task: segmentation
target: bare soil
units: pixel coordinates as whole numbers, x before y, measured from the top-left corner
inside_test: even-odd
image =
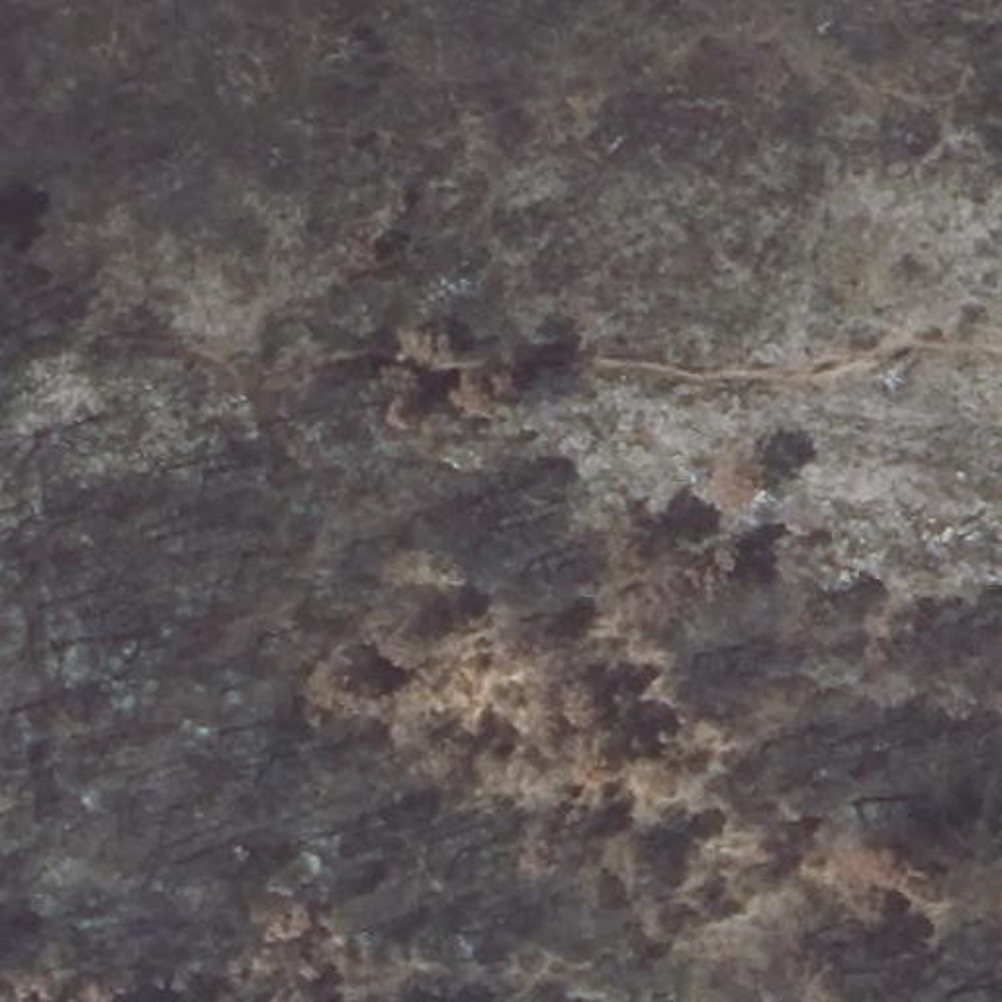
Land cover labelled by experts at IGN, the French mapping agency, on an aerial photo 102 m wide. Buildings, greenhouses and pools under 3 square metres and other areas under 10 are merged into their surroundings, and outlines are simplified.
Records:
[[[387,724],[352,716],[352,708],[372,708],[376,697],[411,685],[407,669],[391,665],[376,646],[364,642],[360,626],[372,611],[387,611],[395,618],[391,630],[403,642],[442,642],[450,634],[466,634],[470,622],[478,622],[489,607],[505,603],[513,607],[509,650],[521,661],[532,661],[536,654],[548,654],[556,638],[587,634],[595,618],[611,615],[622,599],[634,595],[642,595],[654,611],[638,622],[642,638],[650,646],[661,646],[673,661],[673,697],[665,708],[673,712],[677,728],[693,732],[697,724],[716,724],[744,748],[740,755],[724,755],[724,775],[701,791],[697,814],[665,806],[661,822],[634,822],[634,798],[626,787],[603,787],[603,806],[591,806],[583,787],[575,783],[544,806],[521,806],[513,795],[478,795],[478,755],[509,759],[517,744],[517,728],[489,712],[474,732],[458,720],[458,712],[431,712],[407,744],[395,744]],[[869,853],[892,853],[896,869],[908,865],[932,877],[939,877],[943,869],[963,869],[971,861],[1002,861],[1002,0],[0,0],[0,1002],[685,1002],[693,959],[673,951],[677,935],[685,928],[701,928],[744,912],[724,892],[724,881],[708,881],[693,908],[677,904],[677,885],[685,881],[689,853],[720,830],[759,830],[767,853],[767,881],[775,888],[798,865],[826,865],[838,838],[853,838]]]
[[[982,920],[932,924],[928,916],[912,912],[900,896],[892,908],[881,912],[865,939],[849,947],[849,959],[861,967],[861,975],[853,990],[834,994],[838,1002],[1002,1002],[1002,912]]]

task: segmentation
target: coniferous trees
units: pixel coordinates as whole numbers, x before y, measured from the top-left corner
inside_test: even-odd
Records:
[[[826,865],[798,865],[775,888],[767,881],[767,853],[759,830],[720,830],[689,853],[685,881],[677,885],[677,904],[693,908],[708,881],[724,881],[724,892],[744,912],[701,928],[685,928],[677,935],[673,951],[693,959],[685,1002],[838,1002],[834,994],[853,990],[861,975],[861,967],[849,959],[849,947],[865,939],[881,912],[892,908],[900,896],[912,912],[928,916],[932,924],[982,920],[1002,912],[1002,861],[971,861],[963,869],[943,869],[939,877],[932,877],[908,865],[896,869],[892,853],[869,853],[853,838],[838,838]]]
[[[744,748],[716,724],[697,724],[693,732],[677,728],[673,712],[665,708],[673,697],[673,661],[661,646],[650,646],[642,638],[638,622],[654,611],[642,595],[634,595],[622,599],[611,615],[595,618],[587,634],[556,638],[548,654],[536,654],[532,661],[521,661],[509,650],[513,607],[505,603],[489,607],[478,622],[470,622],[466,634],[450,634],[442,642],[403,642],[391,630],[395,618],[387,611],[372,611],[360,626],[364,642],[376,646],[391,665],[407,669],[411,685],[376,697],[372,708],[352,708],[352,716],[387,724],[395,744],[407,744],[431,712],[458,712],[458,720],[474,732],[489,712],[517,728],[517,744],[509,759],[478,755],[478,795],[513,795],[521,806],[544,806],[575,783],[583,787],[591,806],[603,806],[603,787],[626,787],[634,798],[634,822],[661,822],[665,806],[697,814],[701,791],[724,775],[724,755],[740,755]]]

